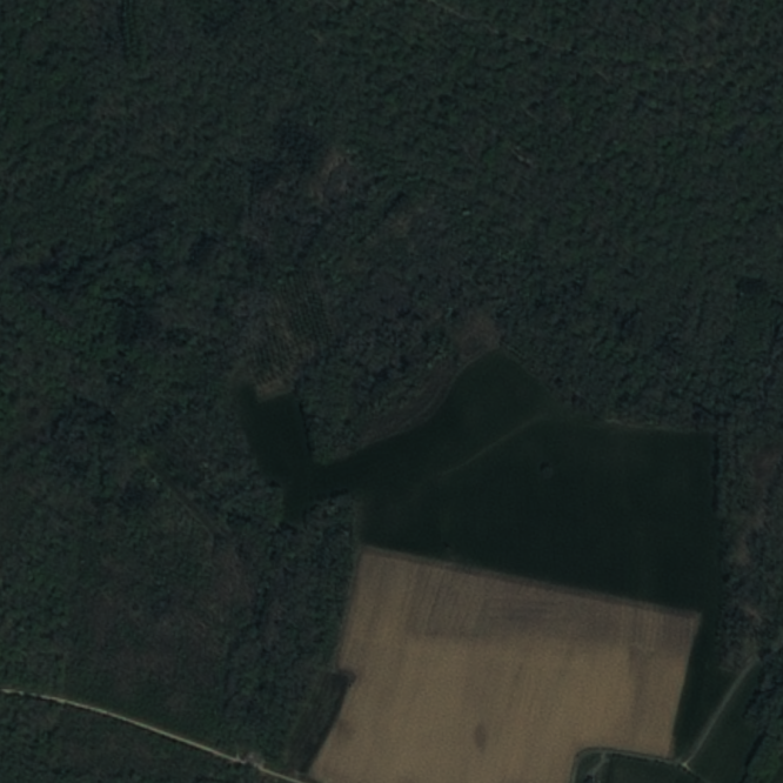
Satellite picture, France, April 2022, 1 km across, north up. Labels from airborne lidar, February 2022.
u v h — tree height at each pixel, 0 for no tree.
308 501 0
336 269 16
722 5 25
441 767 0
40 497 22
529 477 0
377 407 13
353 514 23
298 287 0
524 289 17
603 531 0
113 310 29
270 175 19
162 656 17
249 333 19
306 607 26
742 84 12
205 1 15
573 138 26
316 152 17
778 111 23
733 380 18
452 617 0
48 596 25
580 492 0
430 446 0
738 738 0
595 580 0
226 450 21
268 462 0
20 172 22
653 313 24
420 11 21
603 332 17
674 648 0
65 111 16
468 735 0
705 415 25
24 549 19
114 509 21
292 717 28
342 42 24
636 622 0
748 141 24
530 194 27
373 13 21
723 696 0
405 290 15
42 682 22
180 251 23
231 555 20
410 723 0
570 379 18
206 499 29
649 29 22
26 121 19
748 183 27
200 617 16
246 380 0
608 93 27
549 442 0
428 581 0
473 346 0
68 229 12
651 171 24
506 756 0
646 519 0
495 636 0
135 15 35
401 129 26
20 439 26
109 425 25
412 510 0
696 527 0
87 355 25
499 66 28
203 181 6
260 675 25
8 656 18
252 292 22
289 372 0
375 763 0
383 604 0
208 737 12
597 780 0
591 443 0
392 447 0
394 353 12
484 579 0
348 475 0
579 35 20
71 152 26
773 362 15
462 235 19
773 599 22
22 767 21
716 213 24
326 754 0
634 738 0
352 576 30
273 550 24
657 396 25
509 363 0
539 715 0
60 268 13
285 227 19
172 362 28
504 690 0
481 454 0
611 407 19
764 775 18
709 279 20
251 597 20
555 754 0
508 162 28
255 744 26
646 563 0
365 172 7
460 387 0
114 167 26
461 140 30
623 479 0
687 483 0
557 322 23
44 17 21
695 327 21
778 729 26
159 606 17
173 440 26
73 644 20
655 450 0
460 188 21
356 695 0
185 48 27
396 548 0
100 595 18
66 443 28
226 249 27
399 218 13
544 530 0
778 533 21
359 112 28
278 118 17
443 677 0
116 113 25
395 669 0
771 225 26
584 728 0
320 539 24
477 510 0
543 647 0
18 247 23
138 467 27
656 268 23
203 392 22
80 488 29
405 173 13
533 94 25
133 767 16
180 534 17
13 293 24
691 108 24
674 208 24
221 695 14
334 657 19
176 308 28
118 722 11
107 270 17
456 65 20
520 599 0
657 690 0
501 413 0
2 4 31
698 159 25
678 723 0
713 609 0
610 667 0
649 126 24
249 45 23
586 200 26
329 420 25
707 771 0
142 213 12
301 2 23
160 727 9
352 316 19
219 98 23
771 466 0
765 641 15
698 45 24
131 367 24
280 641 25
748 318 16
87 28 17
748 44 21
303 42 21
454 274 14
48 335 26
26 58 23
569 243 24
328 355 10
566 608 0
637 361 11
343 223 17
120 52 29
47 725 23
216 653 18
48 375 21
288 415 0
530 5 23
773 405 24
